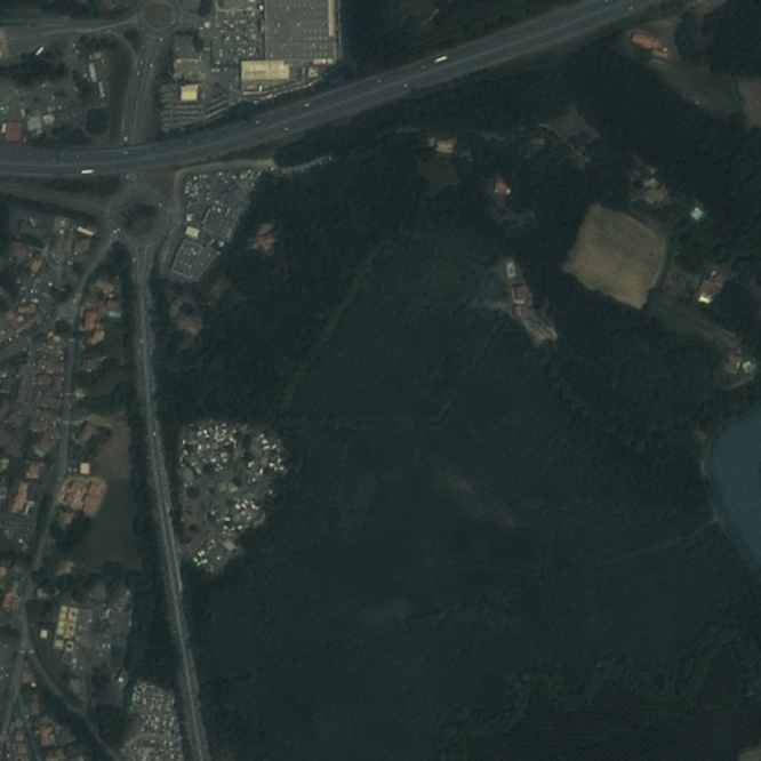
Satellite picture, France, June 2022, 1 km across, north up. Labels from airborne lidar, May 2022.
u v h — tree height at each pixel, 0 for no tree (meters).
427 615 9
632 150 18
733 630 24
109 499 0
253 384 21
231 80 0
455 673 7
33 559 7
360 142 7
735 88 0
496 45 0
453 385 6
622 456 13
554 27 0
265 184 17
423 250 6
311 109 0
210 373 21
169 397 24
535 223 21
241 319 27
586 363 9
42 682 10
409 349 6
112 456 0
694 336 0
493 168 20
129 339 14
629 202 20
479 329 6
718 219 12
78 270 14
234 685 15
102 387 0
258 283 26
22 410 0
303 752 7
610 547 6
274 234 9
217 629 9
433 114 12
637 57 0
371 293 6
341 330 6
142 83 0
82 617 0
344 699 6
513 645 7
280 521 10
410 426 6
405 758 6
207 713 20
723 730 15
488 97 13
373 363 7
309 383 7
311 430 6
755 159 20
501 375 5
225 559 0
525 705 13
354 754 9
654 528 7
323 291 29
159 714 0
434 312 8
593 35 0
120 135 0
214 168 0
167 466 6
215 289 0
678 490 12
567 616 7
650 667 9
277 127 0
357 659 6
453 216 26
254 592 11
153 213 14
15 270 5
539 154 14
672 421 12
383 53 9
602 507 6
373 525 6
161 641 17
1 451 16
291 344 25
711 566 10
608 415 19
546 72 7
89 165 0
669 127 23
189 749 17
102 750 16
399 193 25
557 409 10
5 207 9
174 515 12
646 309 11
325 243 28
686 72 0
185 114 0
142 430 16
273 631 16
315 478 8
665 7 9
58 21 0
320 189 24
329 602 6
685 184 24
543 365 15
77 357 5
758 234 34
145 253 0
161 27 0
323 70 0
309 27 0
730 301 21
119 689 0
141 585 29
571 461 14
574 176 23
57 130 14
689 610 11
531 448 7
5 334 0
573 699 24
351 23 20
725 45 19
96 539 0
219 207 0
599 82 22
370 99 0
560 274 18
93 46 10
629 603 6
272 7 0
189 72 0
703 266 15
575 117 0
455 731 21
